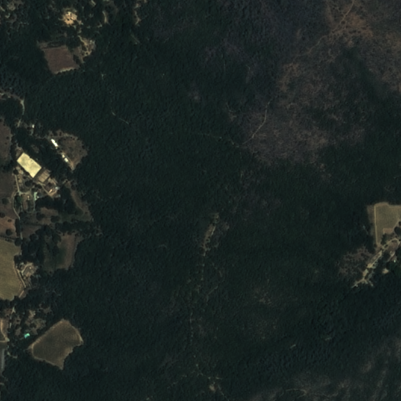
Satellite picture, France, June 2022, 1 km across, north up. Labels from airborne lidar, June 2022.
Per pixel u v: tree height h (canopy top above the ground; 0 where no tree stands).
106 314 12
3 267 0
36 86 10
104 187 8
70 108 10
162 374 8
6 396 7
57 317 12
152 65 10
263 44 8
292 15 10
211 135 12
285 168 12
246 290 7
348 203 10
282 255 10
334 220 11
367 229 9
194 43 10
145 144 8
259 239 8
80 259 9
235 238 8
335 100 10
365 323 16
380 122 11
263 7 15
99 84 10
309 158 6
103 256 14
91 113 7
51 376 8
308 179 8
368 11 0
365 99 8
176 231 8
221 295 10
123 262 13
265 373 13
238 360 8
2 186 0
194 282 7
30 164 0
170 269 11
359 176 8
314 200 10
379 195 10
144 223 12
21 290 0
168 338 11
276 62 7
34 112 9
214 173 10
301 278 9
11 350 8
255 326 7
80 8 12
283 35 9
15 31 8
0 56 10
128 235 8
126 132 11
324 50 6
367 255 6
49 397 6
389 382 7
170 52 7
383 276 15
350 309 13
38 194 9
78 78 14
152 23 9
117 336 14
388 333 9
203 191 8
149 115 12
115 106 6
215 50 12
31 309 11
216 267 6
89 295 7
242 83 6
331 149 7
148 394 8
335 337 10
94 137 12
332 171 10
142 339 7
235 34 9
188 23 9
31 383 10
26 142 12
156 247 7
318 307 11
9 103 10
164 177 8
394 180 9
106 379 8
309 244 6
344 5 0
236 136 10
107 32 11
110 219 9
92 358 9
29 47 8
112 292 7
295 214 9
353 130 8
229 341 8
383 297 16
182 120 11
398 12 12
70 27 10
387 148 12
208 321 8
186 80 11
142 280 6
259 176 8
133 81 7
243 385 10
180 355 7
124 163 10
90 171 11
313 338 11
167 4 7
